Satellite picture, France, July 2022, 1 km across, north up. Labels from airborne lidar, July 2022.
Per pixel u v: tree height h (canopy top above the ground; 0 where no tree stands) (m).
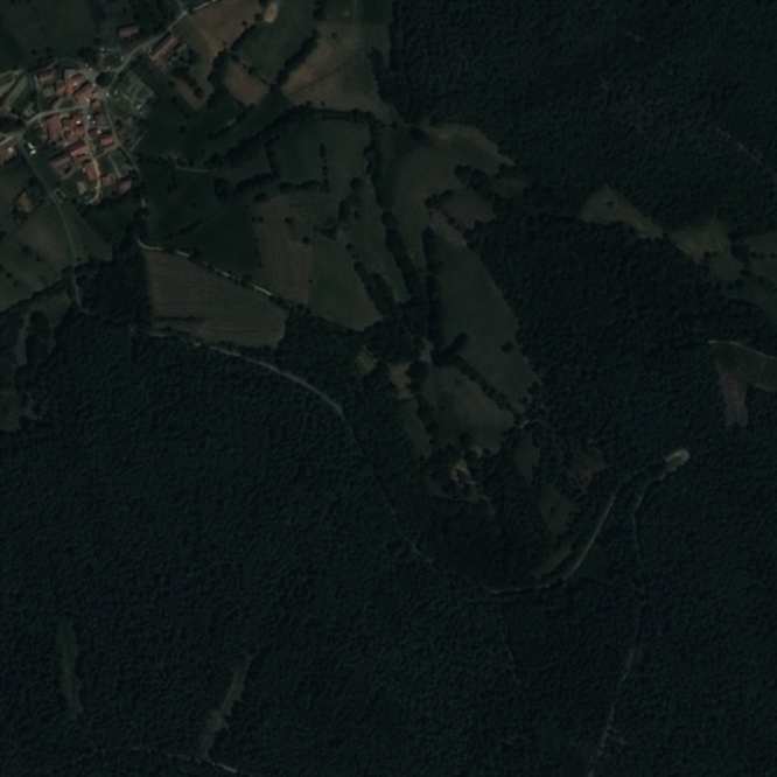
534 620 28
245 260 0
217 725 0
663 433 19
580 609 25
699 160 9
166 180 0
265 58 0
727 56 18
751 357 0
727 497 12
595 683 16
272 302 8
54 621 20
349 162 0
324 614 22
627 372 18
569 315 8
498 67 16
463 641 23
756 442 16
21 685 21
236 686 0
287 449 22
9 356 25
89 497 19
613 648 12
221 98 13
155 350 21
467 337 13
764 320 20
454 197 9
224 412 18
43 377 20
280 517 20
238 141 0
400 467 19
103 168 0
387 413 23
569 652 19
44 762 21
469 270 0
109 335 30
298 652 22
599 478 11
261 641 19
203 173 0
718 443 11
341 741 22
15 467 20
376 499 23
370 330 13
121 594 22
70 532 25
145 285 8
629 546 30
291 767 26
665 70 13
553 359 10
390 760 21
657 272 15
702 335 25
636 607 16
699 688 12
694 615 10
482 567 18
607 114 11
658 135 13
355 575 18
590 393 20
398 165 0
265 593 25
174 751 17
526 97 14
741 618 12
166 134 0
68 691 0
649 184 12
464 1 14
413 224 0
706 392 25
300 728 15
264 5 12
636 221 0
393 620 20
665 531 16
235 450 20
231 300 0
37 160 0
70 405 13
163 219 0
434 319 26
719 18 18
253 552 24
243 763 25
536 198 7
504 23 20
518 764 20
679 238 0
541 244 13
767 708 16
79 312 13
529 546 24
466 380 0
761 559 14
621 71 11
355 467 21
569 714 16
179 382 13
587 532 7
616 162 13
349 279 0
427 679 23
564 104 18
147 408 24
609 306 12
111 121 0
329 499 17
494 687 21
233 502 20
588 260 6
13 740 20
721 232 0
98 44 9
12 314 11
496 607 17
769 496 18
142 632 18
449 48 14
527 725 15
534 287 10
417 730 16
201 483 18
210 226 0
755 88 16
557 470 15
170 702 21
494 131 10
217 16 0
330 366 15
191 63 10
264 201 12
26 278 0
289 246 0
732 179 10
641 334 18
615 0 17
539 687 22
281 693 19
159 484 23
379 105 0
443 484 7
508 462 13
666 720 15
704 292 16
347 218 15
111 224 0
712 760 14
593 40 14
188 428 13
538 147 11
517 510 17
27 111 0
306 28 0
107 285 19
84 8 0
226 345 9
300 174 0
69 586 24
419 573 22
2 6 0
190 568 15
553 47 24
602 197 0
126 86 0
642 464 20
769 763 11
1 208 0
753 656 13
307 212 0
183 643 22
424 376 22
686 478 11
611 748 6
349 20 0
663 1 18
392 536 20
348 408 21
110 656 21
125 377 28
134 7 10
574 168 10
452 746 26
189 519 23
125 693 24
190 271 0
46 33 0
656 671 14
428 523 19
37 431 21
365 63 0
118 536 17
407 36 18
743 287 17
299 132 0
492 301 0
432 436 11
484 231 12
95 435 21
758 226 8
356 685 22
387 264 0
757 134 22
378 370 13
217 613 20
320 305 0
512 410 10
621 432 21
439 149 0
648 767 16
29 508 24
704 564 13
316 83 0
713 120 15
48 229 0
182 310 0
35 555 22
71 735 18
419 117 15
